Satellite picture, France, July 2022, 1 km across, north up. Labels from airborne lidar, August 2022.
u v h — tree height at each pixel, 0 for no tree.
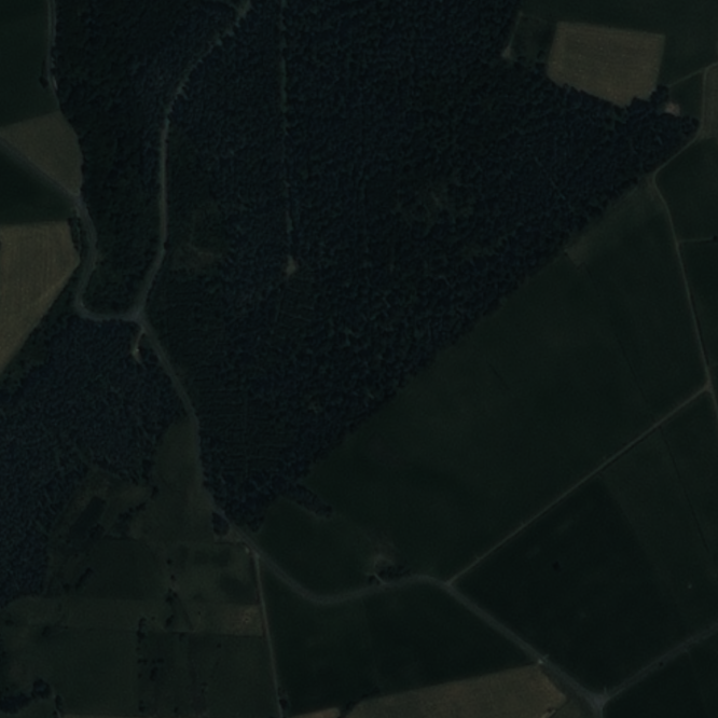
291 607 0
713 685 0
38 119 0
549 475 0
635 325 0
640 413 0
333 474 0
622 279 0
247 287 17
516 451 0
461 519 0
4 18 0
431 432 0
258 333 15
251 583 0
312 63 10
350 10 26
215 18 24
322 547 0
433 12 25
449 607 0
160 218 9
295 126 26
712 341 0
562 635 0
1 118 0
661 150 20
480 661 0
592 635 0
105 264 11
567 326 0
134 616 0
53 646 0
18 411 19
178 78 26
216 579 0
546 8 0
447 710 0
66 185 0
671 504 0
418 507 0
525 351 0
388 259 11
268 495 22
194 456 0
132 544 0
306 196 24
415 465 0
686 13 0
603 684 0
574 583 0
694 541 0
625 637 0
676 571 0
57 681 0
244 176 23
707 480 0
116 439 21
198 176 6
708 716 0
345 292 18
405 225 14
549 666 0
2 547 23
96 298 6
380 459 0
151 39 12
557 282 0
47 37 0
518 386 0
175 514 0
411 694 0
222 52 26
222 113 18
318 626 0
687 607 0
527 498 0
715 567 0
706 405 0
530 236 24
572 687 0
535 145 21
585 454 0
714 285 0
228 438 7
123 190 6
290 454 16
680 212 0
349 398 29
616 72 0
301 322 7
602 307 0
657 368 0
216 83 26
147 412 22
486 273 19
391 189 16
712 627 0
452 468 0
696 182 0
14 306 0
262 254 23
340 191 22
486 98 11
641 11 0
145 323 0
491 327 0
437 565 0
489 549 0
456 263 10
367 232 10
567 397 0
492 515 0
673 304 0
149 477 24
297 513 0
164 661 7
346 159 26
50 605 0
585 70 0
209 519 0
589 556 0
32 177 0
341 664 0
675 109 0
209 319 6
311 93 22
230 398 7
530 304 0
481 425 0
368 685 0
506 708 0
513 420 0
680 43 0
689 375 0
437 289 16
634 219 0
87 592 0
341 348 17
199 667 0
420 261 17
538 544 0
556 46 0
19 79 0
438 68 29
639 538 0
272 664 0
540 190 23
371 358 22
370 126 26
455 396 0
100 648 0
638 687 0
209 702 0
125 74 11
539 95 17
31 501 22
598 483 0
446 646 0
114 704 0
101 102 20
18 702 24
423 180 13
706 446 0
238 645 0
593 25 0
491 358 0
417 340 25
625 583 0
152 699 0
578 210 17
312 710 0
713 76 0
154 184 24
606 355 0
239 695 0
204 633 0
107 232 10
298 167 22
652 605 0
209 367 6
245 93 23
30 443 23
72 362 23
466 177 16
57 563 0
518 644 0
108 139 17
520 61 7
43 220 0
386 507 0
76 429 23
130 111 25
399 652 0
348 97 14
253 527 22
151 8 14
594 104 24
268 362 7
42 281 0
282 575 0
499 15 24
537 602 0
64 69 16
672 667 0
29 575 22
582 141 19
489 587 0
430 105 13
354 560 0
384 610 0
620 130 18
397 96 15
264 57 21
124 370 22
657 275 0
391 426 0
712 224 0
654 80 0
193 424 0
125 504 0
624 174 12
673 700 0
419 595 0
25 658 0
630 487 0
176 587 0
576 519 0
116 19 12
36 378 27
